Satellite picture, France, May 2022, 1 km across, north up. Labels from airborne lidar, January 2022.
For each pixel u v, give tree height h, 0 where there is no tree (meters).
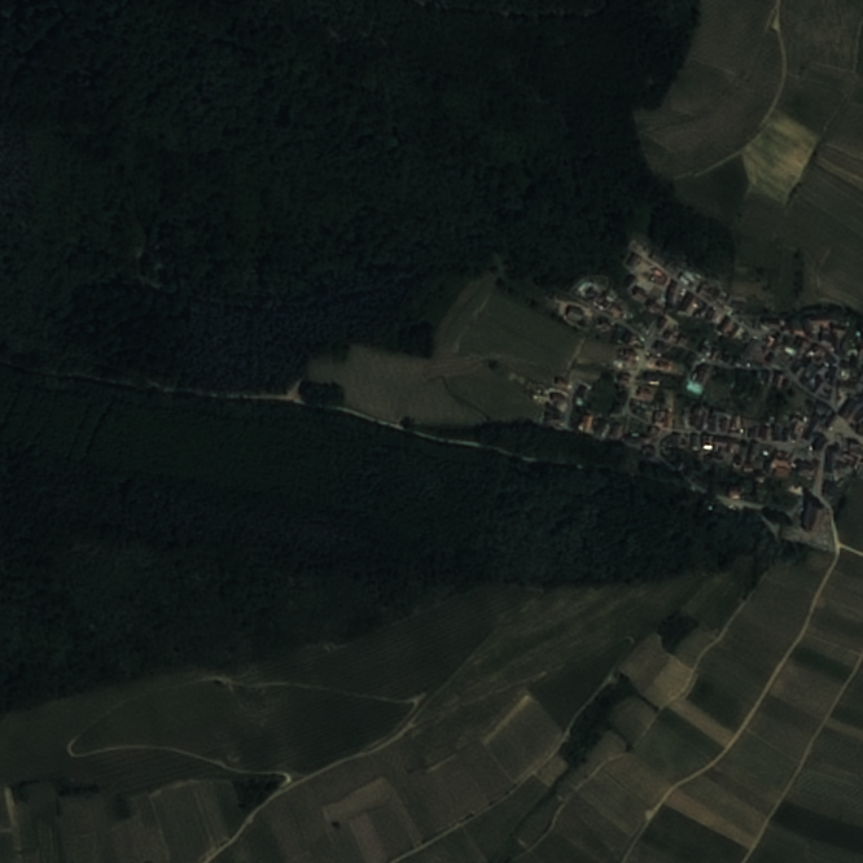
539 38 14
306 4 13
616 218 18
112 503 17
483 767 0
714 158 0
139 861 0
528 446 17
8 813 0
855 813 0
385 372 0
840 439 0
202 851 0
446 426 0
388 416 0
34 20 28
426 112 21
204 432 19
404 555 15
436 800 0
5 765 0
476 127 13
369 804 0
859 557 0
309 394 15
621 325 0
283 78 25
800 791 0
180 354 24
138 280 0
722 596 0
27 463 20
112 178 19
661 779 0
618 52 10
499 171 12
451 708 0
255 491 17
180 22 19
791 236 0
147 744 0
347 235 21
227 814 0
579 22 12
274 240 6
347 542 14
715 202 0
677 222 10
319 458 16
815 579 0
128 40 22
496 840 0
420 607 0
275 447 19
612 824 0
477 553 17
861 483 0
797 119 0
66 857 0
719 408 0
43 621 16
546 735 0
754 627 0
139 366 28
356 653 0
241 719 0
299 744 0
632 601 0
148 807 0
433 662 0
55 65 29
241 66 29
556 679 0
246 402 13
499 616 0
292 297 26
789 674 0
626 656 0
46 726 0
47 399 18
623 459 16
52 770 0
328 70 22
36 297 24
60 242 19
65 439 18
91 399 15
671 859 0
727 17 0
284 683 0
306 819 0
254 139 22
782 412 0
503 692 0
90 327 27
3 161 24
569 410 0
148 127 18
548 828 0
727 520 19
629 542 19
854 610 0
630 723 0
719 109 0
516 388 0
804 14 0
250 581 9
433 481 21
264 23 19
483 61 15
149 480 17
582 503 18
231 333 24
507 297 0
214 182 17
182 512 20
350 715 0
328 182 20
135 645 7
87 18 27
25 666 14
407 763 0
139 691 0
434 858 0
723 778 0
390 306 20
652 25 14
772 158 0
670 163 0
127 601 7
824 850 0
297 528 17
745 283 0
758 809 0
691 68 0
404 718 0
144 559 9
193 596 10
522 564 15
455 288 0
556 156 7
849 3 0
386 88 18
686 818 0
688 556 6
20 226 25
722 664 0
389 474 21
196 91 29
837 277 0
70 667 10
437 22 11
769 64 0
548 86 15
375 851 0
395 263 26
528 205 24
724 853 0
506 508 21
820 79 0
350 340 15
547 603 0
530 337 0
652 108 12
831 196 0
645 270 0
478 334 0
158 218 22
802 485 0
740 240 0
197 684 0
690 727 0
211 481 19
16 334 23
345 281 30
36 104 24
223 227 21
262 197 15
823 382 0
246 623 10
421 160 24
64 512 17
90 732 0
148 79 15
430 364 0
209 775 0
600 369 0
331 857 0
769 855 0
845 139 0
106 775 0
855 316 14
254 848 0
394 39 12
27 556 17
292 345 21
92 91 26
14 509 17
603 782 0
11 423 18
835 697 0
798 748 0
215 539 15
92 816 0
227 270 33
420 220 25
